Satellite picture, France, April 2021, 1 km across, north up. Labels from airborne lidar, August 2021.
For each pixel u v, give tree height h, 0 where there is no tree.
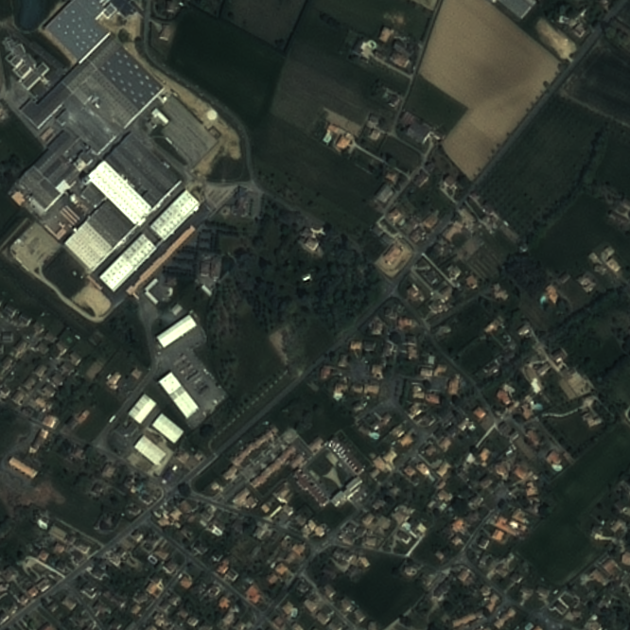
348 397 8
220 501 0
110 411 0
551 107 9
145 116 0
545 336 15
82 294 0
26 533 0
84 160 0
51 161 0
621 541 0
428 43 0
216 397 0
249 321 0
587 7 6
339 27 7
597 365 5
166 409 0
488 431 0
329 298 24
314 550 0
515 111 0
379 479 0
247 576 6
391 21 0
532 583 0
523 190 6
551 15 11
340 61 0
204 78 0
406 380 6
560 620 0
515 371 14
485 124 0
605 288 0
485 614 10
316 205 10
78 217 0
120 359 0
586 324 17
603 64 0
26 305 0
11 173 12
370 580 0
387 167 6
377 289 21
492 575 0
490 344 13
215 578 0
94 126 0
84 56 0
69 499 0
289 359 12
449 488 0
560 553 0
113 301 0
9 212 0
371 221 0
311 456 0
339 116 0
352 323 24
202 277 0
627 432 0
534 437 0
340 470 0
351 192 0
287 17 0
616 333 14
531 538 0
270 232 0
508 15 0
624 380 0
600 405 11
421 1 0
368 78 0
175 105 0
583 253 0
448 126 0
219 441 0
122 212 0
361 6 0
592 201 0
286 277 9
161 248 0
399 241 0
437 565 0
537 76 0
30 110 0
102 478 8
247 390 0
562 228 0
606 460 0
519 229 8
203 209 0
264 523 0
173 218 0
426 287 0
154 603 0
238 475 0
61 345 0
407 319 0
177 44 0
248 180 0
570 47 0
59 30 0
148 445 0
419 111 0
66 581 0
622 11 0
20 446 0
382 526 0
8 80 0
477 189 12
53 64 0
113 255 0
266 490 0
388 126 14
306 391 0
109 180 0
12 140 0
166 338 0
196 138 0
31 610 0
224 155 0
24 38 0
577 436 0
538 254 0
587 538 0
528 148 0
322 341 0
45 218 0
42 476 0
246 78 0
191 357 0
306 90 0
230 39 0
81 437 0
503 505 13
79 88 0
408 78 0
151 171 0
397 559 0
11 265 0
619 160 0
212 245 6
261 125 0
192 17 0
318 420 0
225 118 0
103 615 7
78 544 0
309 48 0
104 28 0
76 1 0
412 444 6
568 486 0
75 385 11
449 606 11
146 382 0
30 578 8
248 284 15
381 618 0
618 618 7
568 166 0
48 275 0
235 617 6
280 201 0
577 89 0
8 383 0
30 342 0
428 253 7
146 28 0
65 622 9
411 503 6
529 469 0
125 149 0
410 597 0
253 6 0
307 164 0
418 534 0
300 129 0
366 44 0
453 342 0
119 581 6
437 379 0
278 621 0
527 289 16
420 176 0
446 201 0
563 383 0
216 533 0
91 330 0
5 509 0
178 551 0
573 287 0
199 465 0
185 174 0
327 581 8
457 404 16
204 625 0
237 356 9
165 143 0
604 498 0
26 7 0
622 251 0
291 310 23
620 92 0
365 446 0
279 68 0
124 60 0
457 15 0
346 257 24
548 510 17
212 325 10
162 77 0
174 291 0
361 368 0
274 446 0
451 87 0
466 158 0
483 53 0
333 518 0
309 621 0
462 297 8
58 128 0
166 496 0
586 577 0
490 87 0
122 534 0
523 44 0
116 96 0
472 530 6
